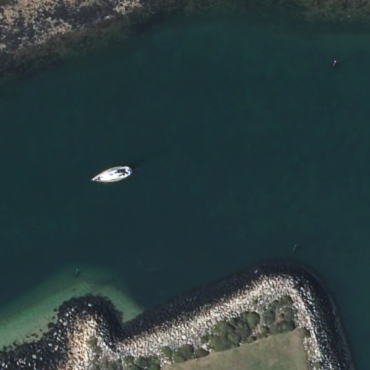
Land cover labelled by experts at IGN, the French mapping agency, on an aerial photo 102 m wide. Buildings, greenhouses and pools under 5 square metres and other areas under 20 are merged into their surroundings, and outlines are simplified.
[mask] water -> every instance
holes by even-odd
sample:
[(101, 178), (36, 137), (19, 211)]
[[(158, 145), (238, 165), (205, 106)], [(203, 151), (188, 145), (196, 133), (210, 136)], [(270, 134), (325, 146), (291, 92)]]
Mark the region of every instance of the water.
[(52, 39), (46, 40), (46, 43), (42, 43), (38, 48), (20, 49), (10, 53), (7, 58), (0, 58), (0, 351), (13, 343), (33, 343), (42, 340), (43, 334), (49, 332), (49, 322), (58, 322), (59, 306), (79, 296), (104, 296), (113, 302), (117, 311), (121, 312), (123, 322), (129, 322), (137, 315), (149, 314), (153, 309), (175, 301), (179, 296), (197, 292), (233, 276), (244, 275), (251, 267), (266, 262), (293, 262), (308, 266), (304, 279), (299, 279), (293, 285), (295, 289), (305, 288), (311, 291), (312, 301), (317, 304), (318, 318), (321, 319), (321, 325), (317, 328), (319, 351), (331, 358), (334, 370), (370, 370), (370, 0), (156, 0), (153, 3), (140, 4), (130, 13), (121, 13), (110, 25), (101, 26), (94, 23), (90, 27), (81, 27), (72, 32), (56, 33)]

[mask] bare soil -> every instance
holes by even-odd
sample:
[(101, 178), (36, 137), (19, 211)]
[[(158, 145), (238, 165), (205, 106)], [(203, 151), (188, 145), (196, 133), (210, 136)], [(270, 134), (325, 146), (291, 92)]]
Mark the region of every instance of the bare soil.
[(25, 26), (35, 22), (38, 12), (55, 9), (58, 0), (19, 0), (14, 6), (6, 6), (6, 22), (13, 23), (14, 17), (25, 17)]

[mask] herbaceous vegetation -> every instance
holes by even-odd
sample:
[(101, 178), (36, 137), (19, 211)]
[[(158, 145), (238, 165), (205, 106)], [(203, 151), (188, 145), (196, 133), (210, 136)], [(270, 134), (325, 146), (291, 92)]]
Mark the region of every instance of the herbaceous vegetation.
[(46, 40), (52, 39), (56, 33), (72, 32), (81, 27), (90, 27), (94, 23), (101, 26), (110, 25), (121, 13), (130, 13), (140, 4), (153, 3), (156, 0), (58, 0), (55, 9), (38, 12), (35, 22), (25, 26), (25, 17), (14, 17), (13, 23), (6, 22), (6, 6), (14, 6), (19, 0), (0, 0), (0, 58), (7, 58), (10, 53), (20, 49), (38, 48), (42, 43), (46, 43)]
[(298, 309), (293, 306), (293, 299), (289, 295), (283, 295), (269, 305), (269, 311), (264, 314), (264, 328), (260, 334), (254, 335), (251, 332), (259, 324), (259, 314), (244, 311), (236, 318), (221, 319), (211, 328), (211, 334), (202, 335), (201, 340), (215, 350), (214, 353), (208, 354), (204, 348), (194, 348), (189, 344), (179, 348), (163, 347), (163, 353), (171, 361), (169, 370), (306, 370), (305, 361), (314, 358), (314, 350), (311, 343), (304, 344), (304, 328), (295, 322), (298, 318)]
[(140, 340), (147, 334), (155, 334), (155, 328), (166, 321), (172, 321), (173, 325), (181, 325), (186, 321), (192, 321), (201, 314), (202, 306), (211, 305), (214, 308), (215, 305), (225, 304), (246, 291), (251, 291), (257, 283), (267, 277), (292, 279), (293, 285), (299, 279), (304, 279), (308, 266), (293, 262), (266, 262), (251, 267), (244, 275), (233, 276), (197, 292), (179, 296), (175, 301), (153, 309), (149, 314), (137, 315), (129, 322), (123, 322), (121, 312), (117, 311), (113, 302), (104, 296), (79, 296), (59, 306), (58, 322), (49, 322), (49, 332), (43, 334), (42, 340), (33, 343), (13, 343), (0, 351), (0, 370), (58, 370), (64, 369), (68, 361), (68, 351), (71, 350), (69, 341), (74, 341), (75, 324), (91, 321), (95, 315), (104, 318), (108, 334), (116, 335), (121, 343), (124, 343), (126, 340)]
[(158, 356), (129, 356), (116, 361), (107, 358), (100, 361), (101, 347), (95, 338), (91, 337), (88, 345), (92, 348), (94, 356), (90, 360), (91, 370), (162, 370)]

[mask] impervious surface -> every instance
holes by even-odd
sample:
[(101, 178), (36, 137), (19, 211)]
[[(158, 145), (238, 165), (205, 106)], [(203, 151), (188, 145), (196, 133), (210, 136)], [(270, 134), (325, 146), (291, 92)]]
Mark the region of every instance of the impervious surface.
[(91, 337), (95, 338), (101, 347), (100, 361), (107, 358), (116, 361), (129, 356), (158, 356), (162, 370), (169, 370), (171, 361), (163, 353), (163, 347), (179, 348), (189, 344), (194, 348), (204, 348), (208, 354), (214, 353), (215, 350), (201, 340), (202, 335), (211, 334), (211, 328), (221, 319), (236, 318), (244, 311), (259, 314), (259, 324), (251, 332), (254, 335), (260, 334), (264, 328), (264, 314), (269, 311), (269, 305), (283, 295), (289, 295), (293, 299), (293, 306), (298, 309), (298, 318), (295, 322), (304, 328), (304, 344), (311, 343), (314, 350), (314, 358), (305, 361), (306, 370), (334, 370), (331, 358), (319, 351), (317, 328), (321, 325), (321, 319), (318, 318), (317, 304), (312, 301), (311, 291), (305, 288), (295, 289), (293, 285), (292, 279), (267, 277), (257, 283), (251, 291), (246, 291), (225, 304), (215, 305), (214, 308), (211, 305), (202, 306), (201, 314), (192, 321), (186, 321), (181, 325), (173, 325), (172, 321), (166, 321), (155, 328), (155, 334), (147, 334), (140, 340), (126, 340), (124, 343), (121, 343), (116, 335), (108, 334), (104, 318), (95, 315), (91, 321), (75, 324), (74, 341), (69, 341), (71, 350), (68, 351), (68, 361), (64, 369), (58, 370), (91, 370), (90, 360), (94, 356), (92, 348), (88, 345)]

